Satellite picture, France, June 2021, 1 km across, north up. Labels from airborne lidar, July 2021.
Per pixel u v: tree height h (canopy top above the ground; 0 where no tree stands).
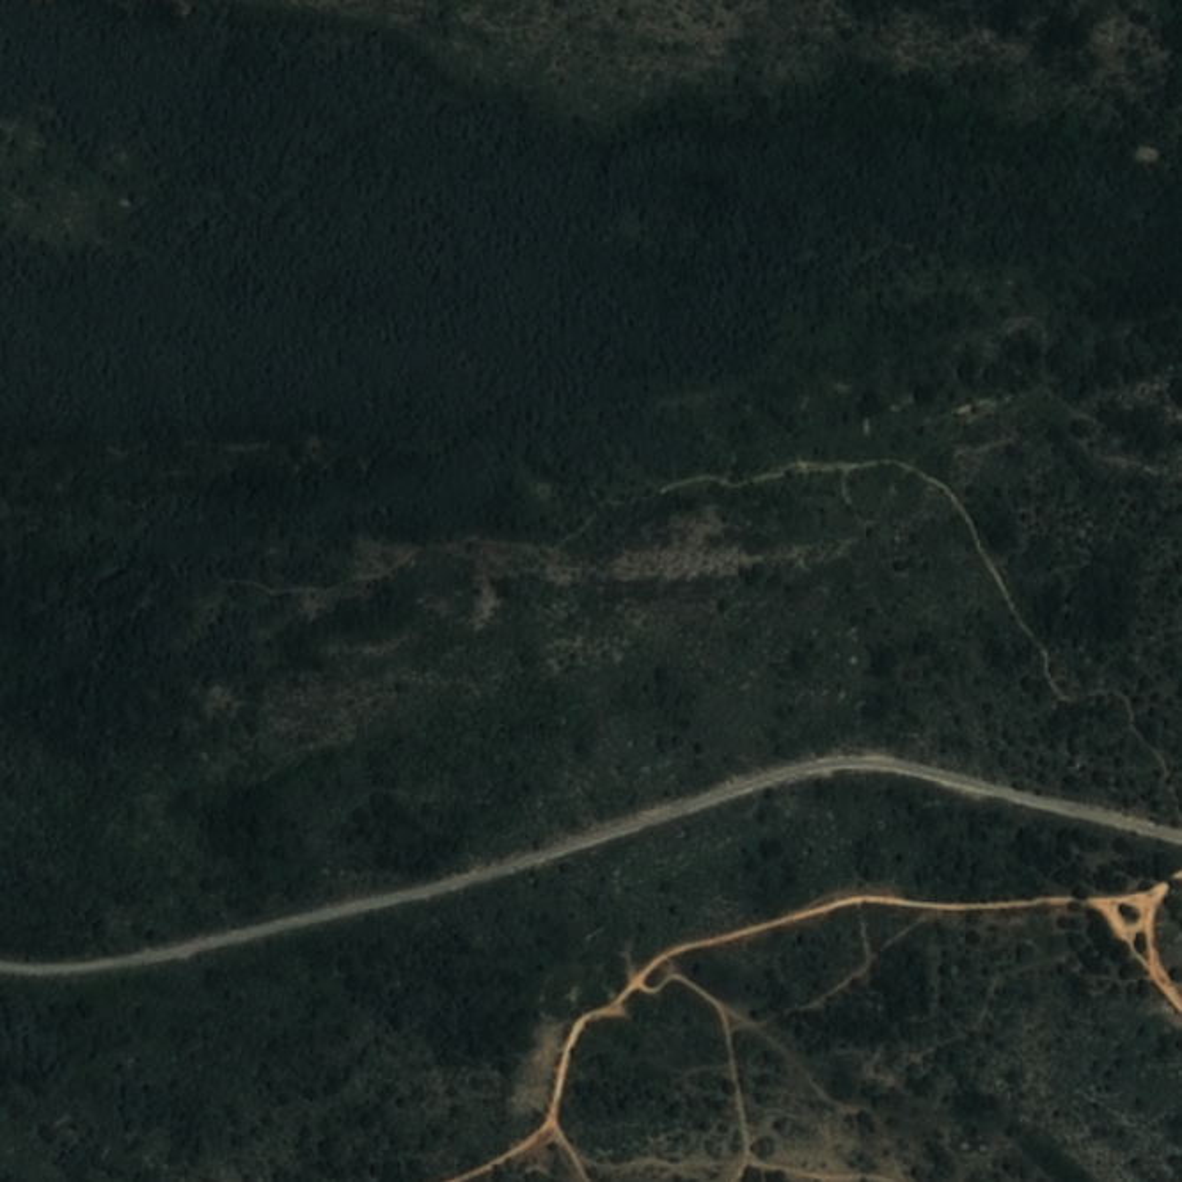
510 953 7
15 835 7
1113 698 6
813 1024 7
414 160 12
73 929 8
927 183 9
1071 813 0
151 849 5
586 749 6
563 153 13
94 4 11
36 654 10
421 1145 7
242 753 6
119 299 13
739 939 0
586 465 7
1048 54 7
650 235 8
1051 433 8
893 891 0
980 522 9
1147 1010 0
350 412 15
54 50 11
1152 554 7
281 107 12
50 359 11
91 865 8
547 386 9
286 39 11
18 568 12
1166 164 8
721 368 6
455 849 7
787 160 9
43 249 7
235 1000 7
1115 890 9
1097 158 10
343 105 11
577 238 12
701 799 0
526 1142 0
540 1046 0
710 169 12
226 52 7
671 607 0
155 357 11
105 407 11
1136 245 7
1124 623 7
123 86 11
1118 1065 9
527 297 11
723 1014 0
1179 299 11
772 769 0
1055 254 7
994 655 6
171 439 8
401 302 14
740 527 0
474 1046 11
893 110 9
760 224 9
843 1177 0
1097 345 6
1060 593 7
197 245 11
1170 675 7
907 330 7
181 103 11
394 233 9
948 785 0
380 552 0
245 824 10
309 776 7
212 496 12
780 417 8
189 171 7
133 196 11
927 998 7
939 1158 8
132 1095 13
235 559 7
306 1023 8
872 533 10
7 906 8
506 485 10
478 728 7
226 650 9
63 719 7
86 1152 10
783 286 9
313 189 11
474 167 10
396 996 9
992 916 0
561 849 0
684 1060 0
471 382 11
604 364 14
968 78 9
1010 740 8
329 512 12
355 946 6
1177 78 8
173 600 8
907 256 7
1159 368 8
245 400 11
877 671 11
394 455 12
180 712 6
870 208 7
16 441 8
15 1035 12
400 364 13
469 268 10
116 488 9
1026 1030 0
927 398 15
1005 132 8
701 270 11
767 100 11
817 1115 0
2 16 13
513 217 10
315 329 7
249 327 12
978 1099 6
